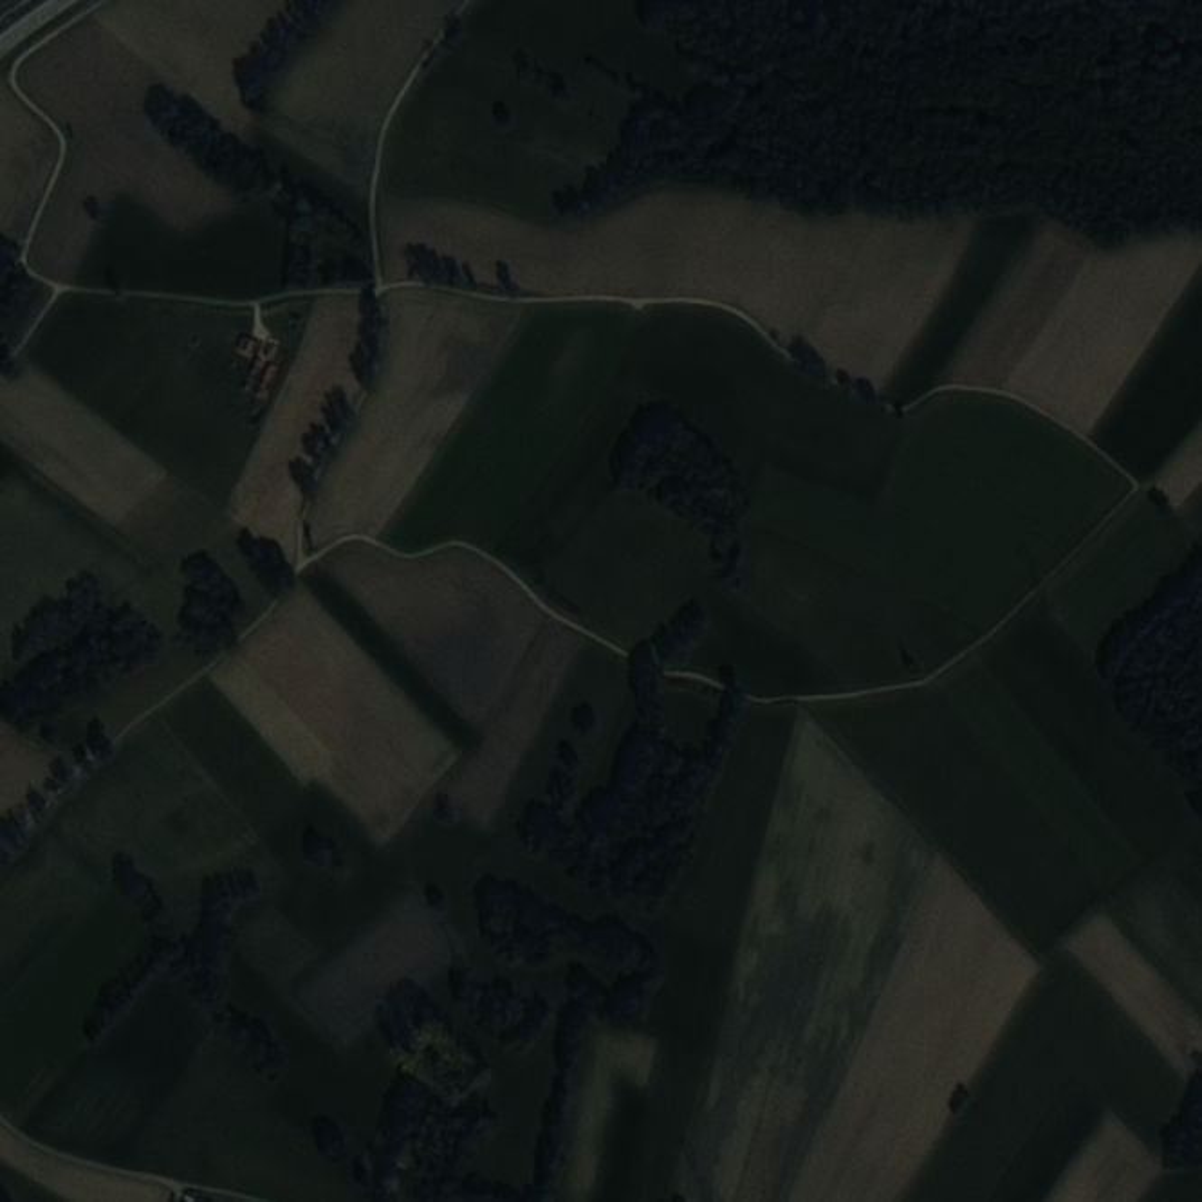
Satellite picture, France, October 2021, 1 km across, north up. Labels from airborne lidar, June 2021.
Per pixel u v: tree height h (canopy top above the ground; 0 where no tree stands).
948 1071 0
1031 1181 0
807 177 20
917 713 0
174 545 0
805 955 0
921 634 0
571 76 0
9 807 0
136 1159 0
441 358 0
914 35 23
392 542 0
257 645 0
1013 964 0
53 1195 0
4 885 0
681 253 0
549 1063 0
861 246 0
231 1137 0
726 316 0
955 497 0
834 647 0
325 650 0
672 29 18
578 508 0
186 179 0
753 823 0
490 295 0
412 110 0
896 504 0
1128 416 0
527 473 0
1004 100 26
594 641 0
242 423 0
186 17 0
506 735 0
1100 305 0
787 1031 0
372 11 0
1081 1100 0
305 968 0
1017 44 22
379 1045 0
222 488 0
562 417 0
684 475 16
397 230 0
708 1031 0
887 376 0
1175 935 0
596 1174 0
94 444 0
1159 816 0
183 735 0
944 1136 0
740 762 0
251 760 0
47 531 0
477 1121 20
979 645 0
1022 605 0
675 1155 0
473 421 0
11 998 0
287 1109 0
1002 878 0
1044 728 0
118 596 0
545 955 16
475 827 0
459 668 0
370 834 0
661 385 0
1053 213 16
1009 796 0
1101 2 22
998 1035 0
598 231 0
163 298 0
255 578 12
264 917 0
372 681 0
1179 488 0
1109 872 0
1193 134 22
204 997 22
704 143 19
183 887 0
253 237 0
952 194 20
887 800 0
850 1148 0
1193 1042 0
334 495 0
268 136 0
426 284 13
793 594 0
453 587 0
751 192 17
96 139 0
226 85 0
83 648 14
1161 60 23
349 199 0
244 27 0
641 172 17
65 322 0
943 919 0
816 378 15
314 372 0
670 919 0
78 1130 0
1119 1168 0
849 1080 0
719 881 0
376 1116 0
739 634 0
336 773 0
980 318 0
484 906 14
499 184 0
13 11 0
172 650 0
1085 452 0
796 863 0
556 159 0
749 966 0
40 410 0
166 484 0
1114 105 25
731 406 0
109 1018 14
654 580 0
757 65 26
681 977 0
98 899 0
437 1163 22
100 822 0
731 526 18
